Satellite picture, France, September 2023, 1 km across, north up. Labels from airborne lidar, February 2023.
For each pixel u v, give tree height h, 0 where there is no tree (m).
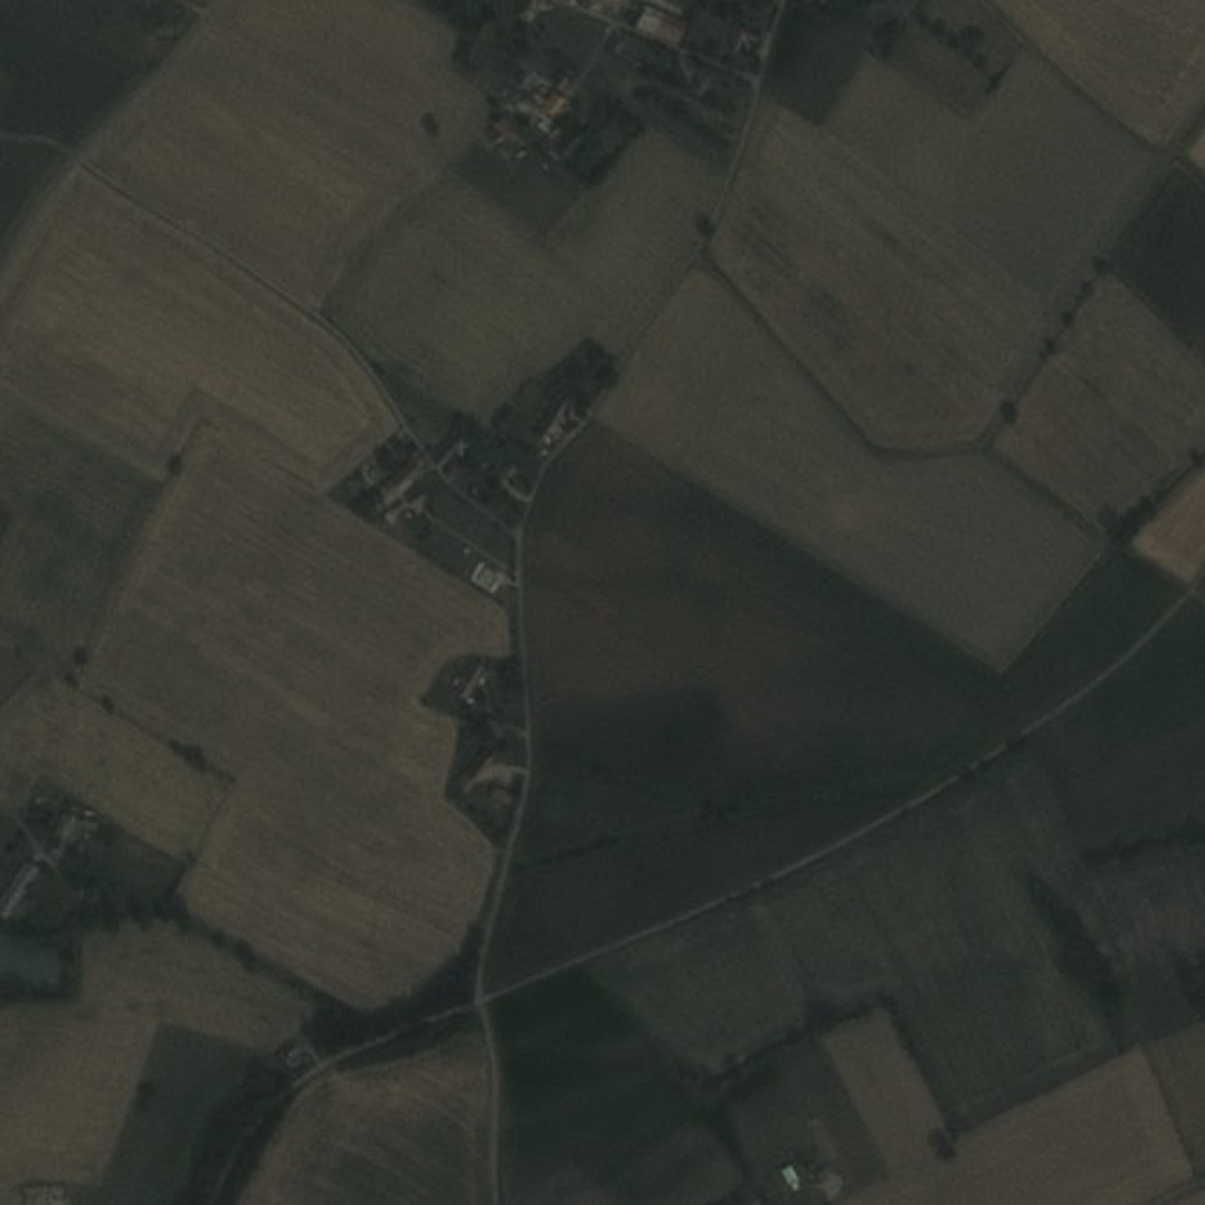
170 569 0
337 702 0
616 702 0
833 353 0
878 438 0
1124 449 0
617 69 0
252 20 0
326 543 0
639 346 0
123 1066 0
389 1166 0
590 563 0
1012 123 0
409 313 0
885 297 0
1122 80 0
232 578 0
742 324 0
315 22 0
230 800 0
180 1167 0
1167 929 0
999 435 0
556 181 0
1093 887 0
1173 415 0
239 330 0
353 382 0
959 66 0
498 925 0
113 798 0
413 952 0
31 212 0
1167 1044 0
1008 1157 0
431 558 0
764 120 0
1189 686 0
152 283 0
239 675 0
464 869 0
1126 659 0
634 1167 0
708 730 0
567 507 0
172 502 0
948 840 0
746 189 0
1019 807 0
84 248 0
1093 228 0
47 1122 0
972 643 0
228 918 0
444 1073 0
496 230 0
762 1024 0
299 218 0
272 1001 0
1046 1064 0
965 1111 0
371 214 0
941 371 0
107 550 0
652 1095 0
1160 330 0
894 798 0
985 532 0
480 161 0
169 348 0
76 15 0
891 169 0
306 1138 0
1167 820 0
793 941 0
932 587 0
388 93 0
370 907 0
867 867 0
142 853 0
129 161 0
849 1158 0
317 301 0
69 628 0
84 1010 0
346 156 0
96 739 0
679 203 0
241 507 0
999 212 0
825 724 0
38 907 0
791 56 0
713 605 0
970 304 0
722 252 0
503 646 0
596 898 0
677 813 0
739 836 0
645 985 0
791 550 0
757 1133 0
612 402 0
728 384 0
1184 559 0
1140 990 0
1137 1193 0
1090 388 0
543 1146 0
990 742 0
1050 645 0
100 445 0
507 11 0
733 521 0
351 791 0
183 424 0
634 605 0
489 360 0
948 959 0
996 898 0
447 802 0
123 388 0
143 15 0
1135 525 10
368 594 0
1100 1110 0
